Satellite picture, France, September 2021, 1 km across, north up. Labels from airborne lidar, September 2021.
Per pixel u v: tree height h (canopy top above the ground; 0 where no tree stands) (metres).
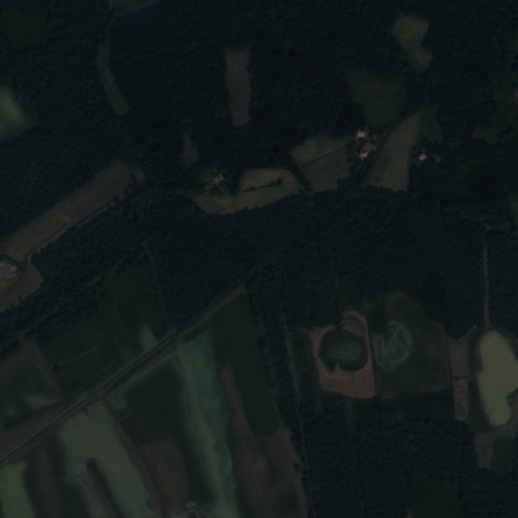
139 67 22
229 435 0
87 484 0
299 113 10
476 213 21
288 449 0
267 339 9
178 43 19
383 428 17
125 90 26
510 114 0
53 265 8
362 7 21
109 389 0
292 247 21
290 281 16
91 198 0
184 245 18
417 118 0
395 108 0
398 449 11
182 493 0
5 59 12
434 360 0
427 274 8
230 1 20
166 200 27
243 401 0
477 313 10
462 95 21
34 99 13
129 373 0
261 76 25
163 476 0
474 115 17
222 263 16
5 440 0
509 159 0
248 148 20
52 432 0
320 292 10
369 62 17
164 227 24
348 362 0
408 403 0
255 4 18
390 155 0
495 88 19
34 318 17
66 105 19
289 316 14
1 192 11
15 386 0
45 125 12
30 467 0
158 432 0
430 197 0
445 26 17
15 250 0
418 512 0
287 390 10
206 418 0
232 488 0
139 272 0
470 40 16
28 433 0
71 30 17
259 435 0
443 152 17
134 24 21
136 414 0
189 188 24
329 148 0
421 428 6
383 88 0
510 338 0
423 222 19
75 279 12
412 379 0
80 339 0
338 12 20
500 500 10
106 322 0
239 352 0
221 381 0
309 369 0
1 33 8
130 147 25
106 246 18
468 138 19
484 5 14
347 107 26
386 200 29
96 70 19
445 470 12
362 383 0
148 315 0
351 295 0
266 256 20
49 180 13
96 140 16
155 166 16
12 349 11
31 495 0
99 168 10
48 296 9
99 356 0
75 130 13
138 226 18
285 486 0
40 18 0
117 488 0
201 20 22
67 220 0
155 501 0
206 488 0
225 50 13
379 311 0
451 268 15
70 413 0
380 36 23
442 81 18
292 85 16
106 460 0
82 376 0
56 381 0
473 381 0
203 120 24
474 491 10
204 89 28
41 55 17
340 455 15
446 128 19
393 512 19
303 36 19
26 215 10
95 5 16
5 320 11
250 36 26
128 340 0
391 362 0
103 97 18
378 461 21
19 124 0
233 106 0
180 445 0
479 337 0
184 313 18
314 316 9
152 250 17
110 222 9
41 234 0
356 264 11
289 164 16
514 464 9
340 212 23
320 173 0
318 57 22
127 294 0
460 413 0
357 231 20
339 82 22
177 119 10
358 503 20
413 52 0
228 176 14
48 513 0
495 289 11
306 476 7
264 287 19
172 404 0
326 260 20
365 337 0
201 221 27
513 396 0
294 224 24
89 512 0
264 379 0
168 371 0
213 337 0
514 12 26
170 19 24
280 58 26
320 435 19
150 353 0
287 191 0
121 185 0
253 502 0
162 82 20
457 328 11
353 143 8
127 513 0
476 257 17
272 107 26
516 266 11
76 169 16
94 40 20
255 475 0
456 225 18
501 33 28
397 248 20
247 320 0
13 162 10
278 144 26
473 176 0
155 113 23
